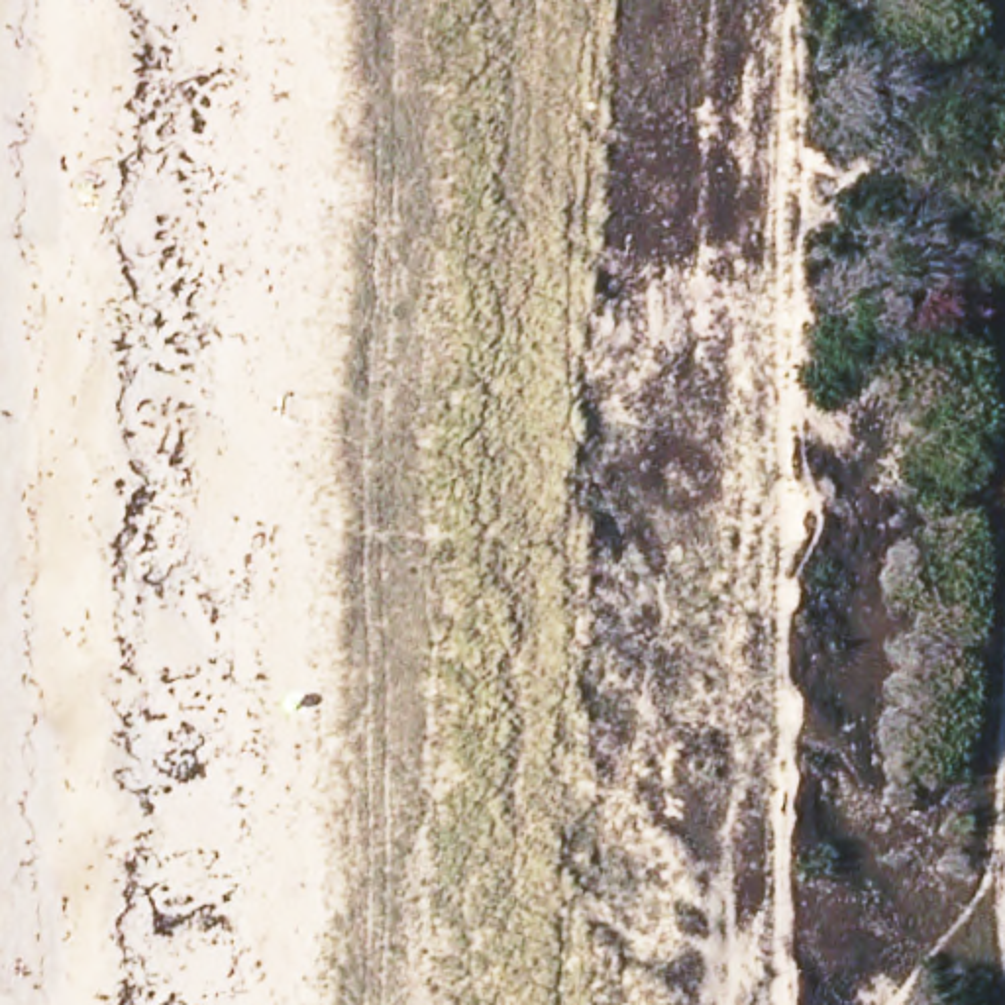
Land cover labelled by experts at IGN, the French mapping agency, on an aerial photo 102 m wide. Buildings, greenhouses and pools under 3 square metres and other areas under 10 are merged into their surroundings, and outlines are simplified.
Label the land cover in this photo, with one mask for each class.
<instances>
[{"label":"bare soil","instance_id":"1","mask_svg":"<svg viewBox=\"0 0 1005 1005\"><path fill-rule=\"evenodd\" d=\"M754 0H0V1005H703L699 950L707 942V911L691 907V899L695 891H711V879L718 875V824L730 801L734 758L722 730H695L691 722L675 718V695L683 683L679 652H667L656 636L660 608L644 605L636 616H620L612 605H605L601 589H612L616 577L601 573V561L608 554L620 557L624 550H640L648 573L660 577L671 546L703 542L714 530L711 503L722 495L718 455L726 448L722 412L730 397L734 318L726 310H714L707 334H695V310L683 314L679 353L667 345L656 349V373L644 381L640 393L628 389V373L636 369V353L648 338L644 291L656 287L663 302H683L691 275L687 267L699 247H714L711 279L742 283L754 294H766L777 279V251L766 239L769 181L762 173H738V161L730 153L738 137L734 106L742 94V63L750 55L742 20ZM773 781L762 762H750L742 832L734 836L738 926H750L758 907L773 895Z\"/></svg>","mask_w":1005,"mask_h":1005},{"label":"brushwood","instance_id":"2","mask_svg":"<svg viewBox=\"0 0 1005 1005\"><path fill-rule=\"evenodd\" d=\"M805 145L832 165L864 157L872 169L840 192L836 220L820 224L805 243V287L813 322L805 326L809 361L801 365V389L817 408L844 412L852 424L844 448H828L820 440L805 444L813 479L832 483L824 514L856 522V514L868 510V503H875L879 495L895 499V514L883 518L879 530L903 526L907 510L923 514V526L911 530L907 542H895L883 554L879 569L887 612H911L915 620L883 648L891 660V675L883 679V714L875 722V746L883 754V789L872 793L852 777L836 773L840 801L828 805L809 773L797 781L793 864L801 875L832 879L848 891L864 887L868 860L887 868H923L915 879L899 883L903 891L934 887L938 895H946L950 879L978 887L981 875L962 856L974 817L946 813L942 824H934L923 809H915V789L938 785V777L954 769L958 758L970 754L981 726L985 675L981 663L966 656V648L981 644L993 624V538L981 510L966 506V491H981L993 471V455L981 448V440L997 436L1001 428V397L993 389V349L978 342H954V322L962 318L966 275H978L981 287L1005 283V0H805ZM974 958L950 950L934 958V970L926 974V981L911 993L907 1005H958Z\"/></svg>","mask_w":1005,"mask_h":1005},{"label":"pervious surface","instance_id":"3","mask_svg":"<svg viewBox=\"0 0 1005 1005\"><path fill-rule=\"evenodd\" d=\"M805 0H754L742 20L750 55L742 63V94L734 106L738 137L730 153L738 161V173H762L769 181L766 239L777 251V279L766 294H754L742 283L711 279L714 247H699L687 267L691 275L683 302H663L656 287L644 291L648 338L636 353V369L628 373V389L640 393L644 381L656 373V349L667 345L679 353L683 314L695 310V334H707L714 310H726L734 318L730 397L722 412L726 448L718 455L722 495L711 503L714 530L703 542L671 546L660 577L648 573L640 550H624L620 557L608 554L601 561V573L616 577L612 589H601L605 605H612L620 616H636L644 605L660 608L656 636L667 652H679L683 683L675 695V718L691 722L695 730H722L734 758L730 801L718 824V875L711 879V891H695L691 899V907L707 911V942L699 950L703 1005H797L801 981L797 962L789 954L793 864L797 781V730L805 703L789 675V620L801 601L797 581L805 557L824 534V514L832 483L813 479L805 444L820 440L828 448H844L852 424L844 412L817 408L801 389V365L809 361L805 326L813 322L805 287V243L820 224L836 220L840 192L872 169L864 157L832 165L805 145ZM750 762H762L773 781V895L758 907L750 926H738L734 836L742 832ZM993 848L981 875L978 887L970 903H962L958 915L942 926V934L926 942L934 958L950 950V942L974 919L981 899L993 895L997 962L1005 970V758L993 773ZM926 981V974L911 970L903 981L875 978L872 989H860V1005H907L911 993Z\"/></svg>","mask_w":1005,"mask_h":1005},{"label":"herbaceous vegetation","instance_id":"4","mask_svg":"<svg viewBox=\"0 0 1005 1005\"><path fill-rule=\"evenodd\" d=\"M954 342H978L993 349V389L1001 397V428L997 436L981 440V448L993 455V471L981 491H966V506L981 510L993 538V624L981 644L966 648V656L981 663L985 675L981 726L970 754L958 758L954 769L938 777V785L915 789V809H923L934 824H942L946 813L974 817L962 856L981 875L993 848V773L1005 758V283L981 287L978 275H966L962 318L954 322ZM895 514V499L879 495L875 503H868V510L856 514V522L824 514V534L805 557L797 581L801 601L789 620V675L805 703L797 730V781L809 773L828 805L840 801L836 773L852 777L872 793L883 789V754L875 746V722L883 714V679L891 675V660L883 648L915 620L911 612H887L879 569L883 554L895 542H907L911 530L923 526V514L907 510L903 526L879 530L883 518ZM923 868H887L868 860L864 887L848 891L832 879L801 875L793 864L789 954L797 962L801 981L797 1005H860V989H872L875 978L903 981L911 970L926 974L934 970V958L926 942L942 934V926L958 915L962 903H970L978 887L950 879L946 895H938L934 887L903 891L899 883L915 879ZM974 958L958 1005H1005V970L997 962L993 895L981 899L974 919L950 942V950Z\"/></svg>","mask_w":1005,"mask_h":1005}]
</instances>
